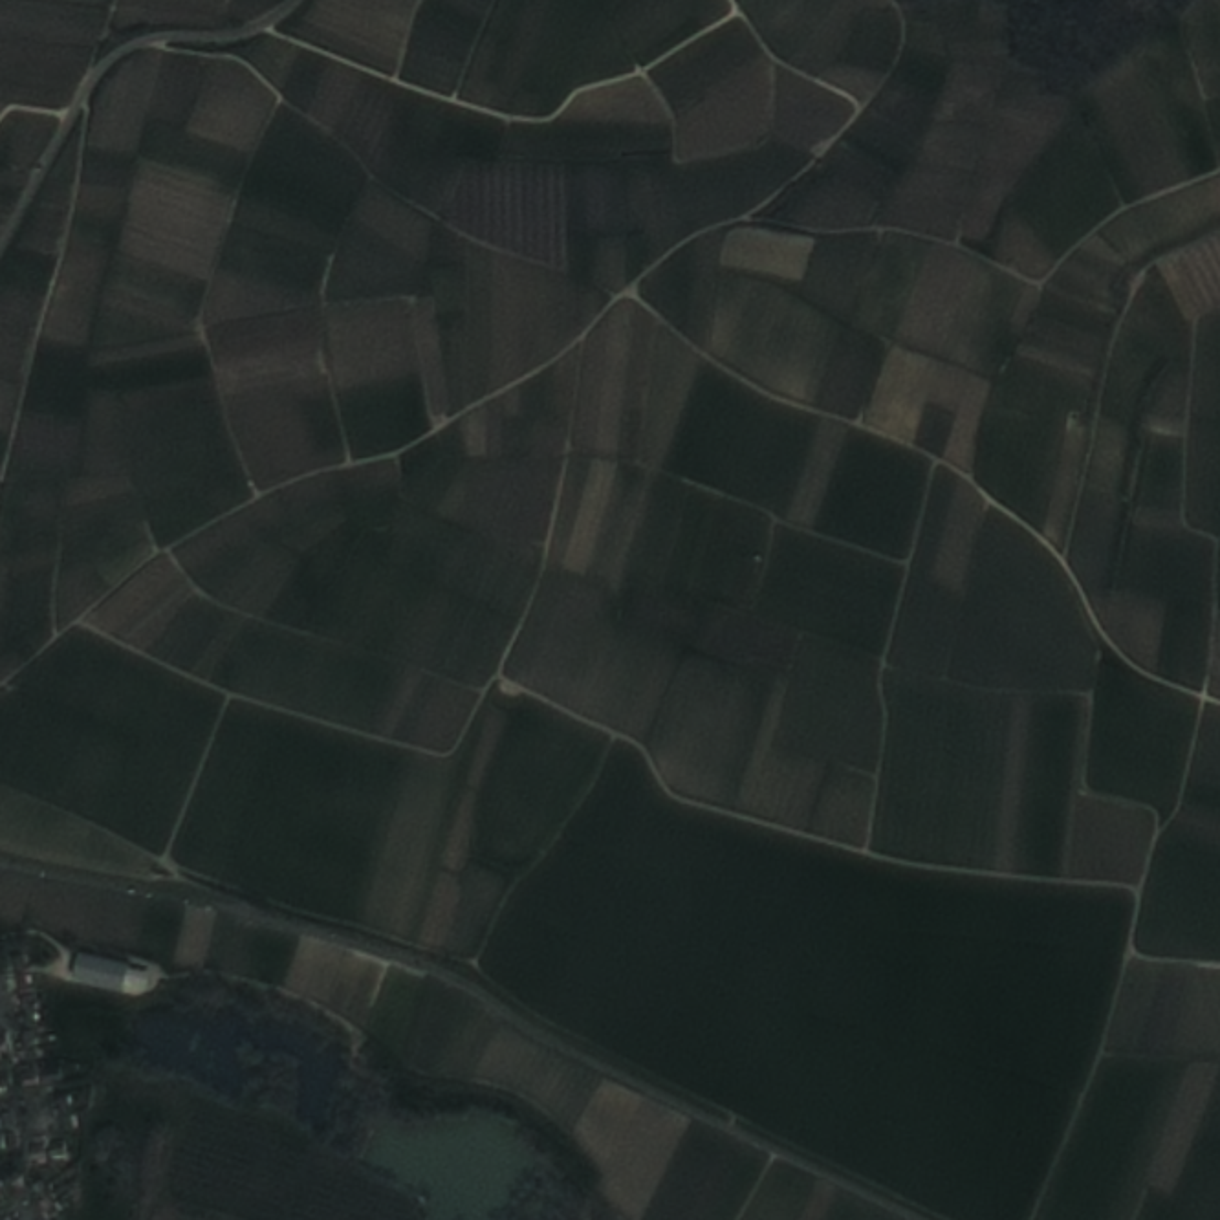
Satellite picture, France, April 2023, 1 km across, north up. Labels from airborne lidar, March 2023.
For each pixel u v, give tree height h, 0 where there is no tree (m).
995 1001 0
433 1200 11
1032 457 0
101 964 0
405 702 0
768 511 0
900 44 0
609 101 0
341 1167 0
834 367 0
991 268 0
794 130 0
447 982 0
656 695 0
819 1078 0
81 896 0
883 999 0
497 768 0
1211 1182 0
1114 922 0
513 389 0
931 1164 0
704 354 0
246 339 0
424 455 0
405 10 0
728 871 0
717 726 0
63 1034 0
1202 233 0
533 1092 0
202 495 0
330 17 0
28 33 0
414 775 0
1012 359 0
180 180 0
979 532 0
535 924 0
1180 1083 0
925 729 0
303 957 0
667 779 0
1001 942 0
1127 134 0
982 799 0
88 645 0
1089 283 0
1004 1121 0
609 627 0
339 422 0
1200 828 0
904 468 0
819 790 0
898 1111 0
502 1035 0
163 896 0
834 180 0
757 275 0
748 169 0
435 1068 0
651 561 0
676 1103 0
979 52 0
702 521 0
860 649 0
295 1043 0
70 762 0
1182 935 0
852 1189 0
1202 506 0
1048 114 0
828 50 0
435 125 0
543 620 0
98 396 0
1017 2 19
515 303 0
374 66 0
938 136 0
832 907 0
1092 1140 0
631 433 0
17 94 0
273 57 0
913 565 0
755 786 0
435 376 0
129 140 0
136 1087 0
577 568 0
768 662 0
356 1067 5
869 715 0
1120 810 0
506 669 0
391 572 0
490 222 0
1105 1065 0
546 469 0
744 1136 0
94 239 0
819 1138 0
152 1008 0
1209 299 0
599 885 0
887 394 0
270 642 0
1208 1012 0
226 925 0
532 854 0
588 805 0
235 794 0
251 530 0
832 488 0
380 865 0
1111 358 0
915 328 0
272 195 0
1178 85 0
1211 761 0
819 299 0
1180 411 0
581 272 0
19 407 0
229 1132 0
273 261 0
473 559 0
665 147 0
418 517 0
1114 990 0
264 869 0
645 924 0
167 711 0
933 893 0
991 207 0
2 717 0
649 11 0
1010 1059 0
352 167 0
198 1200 0
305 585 0
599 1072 0
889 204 0
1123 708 0
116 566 0
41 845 0
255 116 0
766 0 0
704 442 0
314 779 0
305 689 0
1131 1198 0
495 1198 0
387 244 0
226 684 0
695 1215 0
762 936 0
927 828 0
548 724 0
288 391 0
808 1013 0
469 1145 0
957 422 0
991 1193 0
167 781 0
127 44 0
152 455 0
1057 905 0
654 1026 0
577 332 0
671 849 0
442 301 0
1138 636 0
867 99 0
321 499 0
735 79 0
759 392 0
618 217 0
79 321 0
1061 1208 0
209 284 0
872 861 0
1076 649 0
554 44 0
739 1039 0
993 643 0
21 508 0
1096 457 0
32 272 0
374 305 0
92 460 0
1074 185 0
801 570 0
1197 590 0
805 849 0
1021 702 0
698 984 0
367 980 0
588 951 0
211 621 0
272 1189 0
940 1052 0
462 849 0
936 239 0
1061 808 0
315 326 0
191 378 0
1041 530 0
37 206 0
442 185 0
